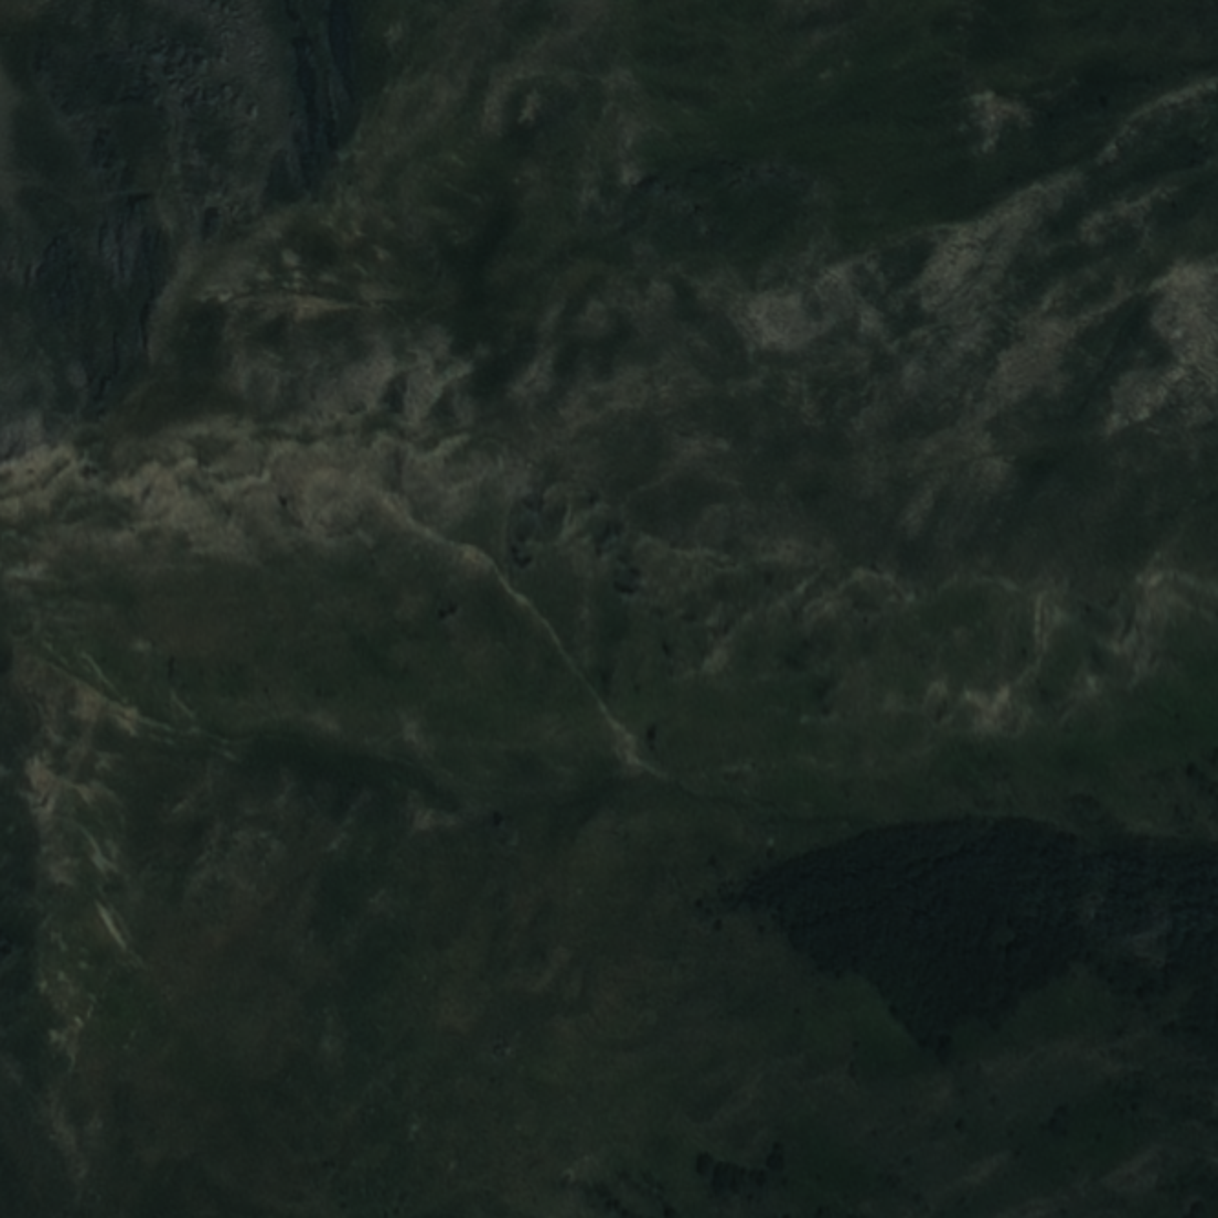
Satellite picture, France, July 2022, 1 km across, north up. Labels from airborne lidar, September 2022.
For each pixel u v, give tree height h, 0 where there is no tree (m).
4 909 0
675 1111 0
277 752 0
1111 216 0
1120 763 0
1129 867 11
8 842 0
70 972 0
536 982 0
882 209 0
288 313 0
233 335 0
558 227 0
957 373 0
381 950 0
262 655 0
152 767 0
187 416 0
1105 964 8
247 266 0
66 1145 0
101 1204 0
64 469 0
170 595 0
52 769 0
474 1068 0
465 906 0
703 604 0
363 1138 0
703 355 0
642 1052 0
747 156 0
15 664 0
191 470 0
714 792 0
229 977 0
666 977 0
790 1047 0
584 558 0
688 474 0
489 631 0
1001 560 0
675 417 0
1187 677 0
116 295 0
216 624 0
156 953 0
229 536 0
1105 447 0
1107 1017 0
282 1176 0
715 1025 0
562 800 0
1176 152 0
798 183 0
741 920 0
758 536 0
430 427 0
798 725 0
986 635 0
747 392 0
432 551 0
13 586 0
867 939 18
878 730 0
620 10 0
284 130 0
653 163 0
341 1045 0
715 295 0
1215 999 8
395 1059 0
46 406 0
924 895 14
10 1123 0
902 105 0
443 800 0
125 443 0
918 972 22
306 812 0
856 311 0
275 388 0
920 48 0
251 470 0
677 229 0
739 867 0
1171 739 0
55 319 0
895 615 0
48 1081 0
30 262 0
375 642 0
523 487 0
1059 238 0
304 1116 0
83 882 0
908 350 0
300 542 0
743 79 0
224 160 0
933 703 0
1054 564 0
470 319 0
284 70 0
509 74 0
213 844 0
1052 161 0
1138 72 0
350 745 0
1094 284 0
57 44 0
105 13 0
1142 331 0
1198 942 17
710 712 0
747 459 0
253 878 0
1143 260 0
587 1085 0
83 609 0
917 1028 14
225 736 0
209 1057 0
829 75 0
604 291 0
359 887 0
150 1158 0
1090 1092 0
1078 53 0
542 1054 0
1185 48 0
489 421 0
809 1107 0
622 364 0
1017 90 0
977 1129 0
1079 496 0
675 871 0
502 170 0
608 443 0
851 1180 0
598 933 0
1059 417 0
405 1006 0
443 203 0
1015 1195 0
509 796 0
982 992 22
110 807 0
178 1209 0
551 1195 0
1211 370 0
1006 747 0
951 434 0
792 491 0
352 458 0
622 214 0
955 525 0
